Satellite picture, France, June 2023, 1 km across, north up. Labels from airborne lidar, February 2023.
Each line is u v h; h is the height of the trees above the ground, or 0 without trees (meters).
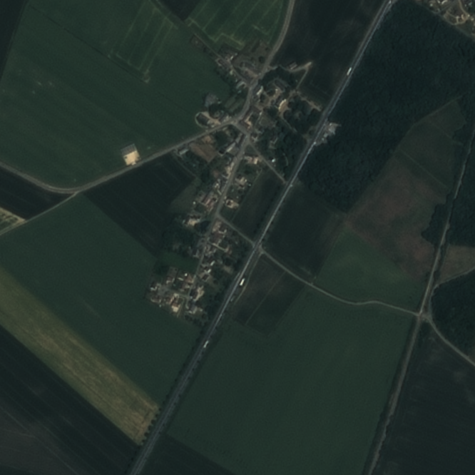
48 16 0
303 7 0
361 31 0
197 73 0
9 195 0
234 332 0
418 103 19
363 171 25
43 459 0
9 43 0
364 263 0
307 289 0
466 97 13
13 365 0
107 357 0
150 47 0
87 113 0
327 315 0
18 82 0
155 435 0
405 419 0
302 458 0
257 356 0
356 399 0
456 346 7
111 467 0
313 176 14
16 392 0
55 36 0
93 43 0
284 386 0
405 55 11
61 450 0
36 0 0
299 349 0
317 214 0
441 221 16
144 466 0
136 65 0
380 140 12
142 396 0
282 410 0
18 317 0
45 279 0
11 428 0
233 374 0
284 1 0
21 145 0
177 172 0
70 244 0
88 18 0
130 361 0
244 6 0
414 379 0
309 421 0
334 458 0
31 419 0
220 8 0
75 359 0
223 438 0
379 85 11
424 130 0
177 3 0
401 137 8
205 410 0
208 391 0
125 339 0
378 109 21
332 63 0
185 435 0
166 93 0
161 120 0
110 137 0
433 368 0
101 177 0
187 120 0
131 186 0
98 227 0
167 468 0
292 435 0
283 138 14
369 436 0
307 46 0
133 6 0
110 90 0
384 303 0
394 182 0
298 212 0
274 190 0
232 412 0
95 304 0
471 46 15
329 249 0
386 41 18
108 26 0
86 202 0
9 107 0
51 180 0
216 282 7
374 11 0
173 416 0
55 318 0
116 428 0
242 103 0
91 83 0
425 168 0
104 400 0
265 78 9
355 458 0
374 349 0
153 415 0
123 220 0
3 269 0
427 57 21
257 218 0
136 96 0
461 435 0
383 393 0
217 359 0
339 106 14
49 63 0
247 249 11
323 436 0
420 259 0
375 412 0
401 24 15
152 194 0
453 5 0
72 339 0
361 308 0
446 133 0
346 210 7
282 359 0
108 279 0
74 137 0
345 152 27
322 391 0
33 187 0
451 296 13
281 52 0
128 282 0
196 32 0
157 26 0
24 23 0
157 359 0
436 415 0
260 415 0
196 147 0
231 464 0
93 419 0
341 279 0
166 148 0
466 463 0
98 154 0
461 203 11
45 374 0
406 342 0
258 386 0
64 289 0
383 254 0
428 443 0
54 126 0
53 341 0
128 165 0
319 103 7
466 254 0
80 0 0
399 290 0
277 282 0
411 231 0
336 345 0
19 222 0
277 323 0
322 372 0
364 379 0
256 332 0
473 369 0
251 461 0
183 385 0
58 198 0
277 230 0
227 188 0
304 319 0
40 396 0
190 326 0
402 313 0
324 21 0
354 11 0
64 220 0
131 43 0
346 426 0
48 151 0
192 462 0
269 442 0
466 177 12
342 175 25
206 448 0
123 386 0
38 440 0
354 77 10
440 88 21
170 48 0
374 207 0
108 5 0
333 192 20
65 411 0
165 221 0
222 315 0
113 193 0
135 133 0
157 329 0
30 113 0
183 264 0
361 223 0
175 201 0
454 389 0
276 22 0
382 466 0
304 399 0
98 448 0
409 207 0
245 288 0
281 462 0
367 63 8
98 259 0
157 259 0
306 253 0
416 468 0
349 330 0
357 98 15
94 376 0
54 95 0
